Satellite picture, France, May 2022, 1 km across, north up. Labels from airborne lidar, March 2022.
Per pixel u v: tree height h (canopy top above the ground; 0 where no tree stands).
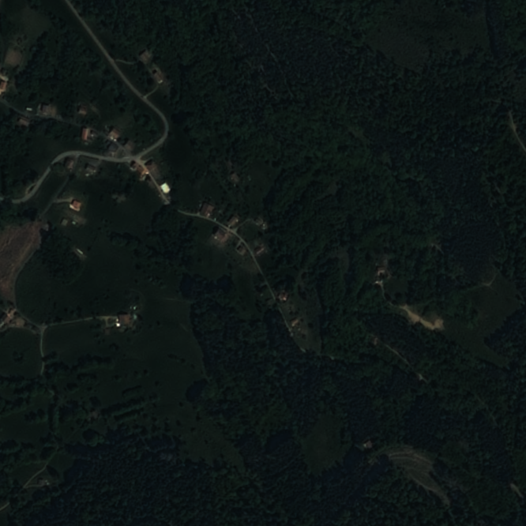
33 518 7
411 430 25
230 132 21
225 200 8
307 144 29
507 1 27
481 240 29
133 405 13
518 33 18
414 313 0
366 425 36
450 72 12
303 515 26
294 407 35
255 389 34
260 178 0
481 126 11
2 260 0
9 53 0
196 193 0
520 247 22
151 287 0
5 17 8
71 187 0
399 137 29
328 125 26
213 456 0
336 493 28
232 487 23
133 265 0
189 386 0
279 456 36
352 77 27
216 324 34
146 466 27
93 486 26
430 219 29
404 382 33
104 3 27
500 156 9
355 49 25
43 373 0
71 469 0
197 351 0
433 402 27
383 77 31
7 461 23
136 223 0
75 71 16
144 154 0
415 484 0
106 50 0
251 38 25
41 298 0
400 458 0
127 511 17
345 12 9
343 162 30
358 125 23
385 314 27
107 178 0
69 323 0
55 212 0
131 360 0
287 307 0
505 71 7
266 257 0
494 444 28
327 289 17
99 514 23
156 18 9
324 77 31
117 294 0
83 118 0
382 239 8
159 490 24
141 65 17
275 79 26
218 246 0
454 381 10
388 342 23
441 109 15
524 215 14
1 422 0
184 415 0
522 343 28
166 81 0
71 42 18
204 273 0
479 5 28
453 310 22
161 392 0
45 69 24
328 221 16
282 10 27
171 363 0
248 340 36
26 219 13
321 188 10
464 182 25
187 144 0
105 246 0
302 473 24
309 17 25
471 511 33
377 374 22
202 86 36
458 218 31
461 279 19
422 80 15
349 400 28
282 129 25
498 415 15
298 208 21
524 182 7
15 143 17
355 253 23
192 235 26
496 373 29
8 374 0
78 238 0
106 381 0
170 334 0
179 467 34
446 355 18
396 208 18
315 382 33
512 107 7
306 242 26
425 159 28
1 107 0
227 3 26
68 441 0
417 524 11
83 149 0
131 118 0
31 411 0
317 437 0
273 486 26
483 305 0
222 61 22
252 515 39
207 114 29
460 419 31
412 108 15
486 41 0
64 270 17
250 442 27
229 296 37
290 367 33
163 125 0
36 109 0
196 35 24
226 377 31
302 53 26
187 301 18
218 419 30
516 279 23
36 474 0
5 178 12
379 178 27
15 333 0
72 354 0
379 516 19
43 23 0
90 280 0
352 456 0
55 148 0
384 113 33
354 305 20
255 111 26
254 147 25
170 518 17
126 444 23
